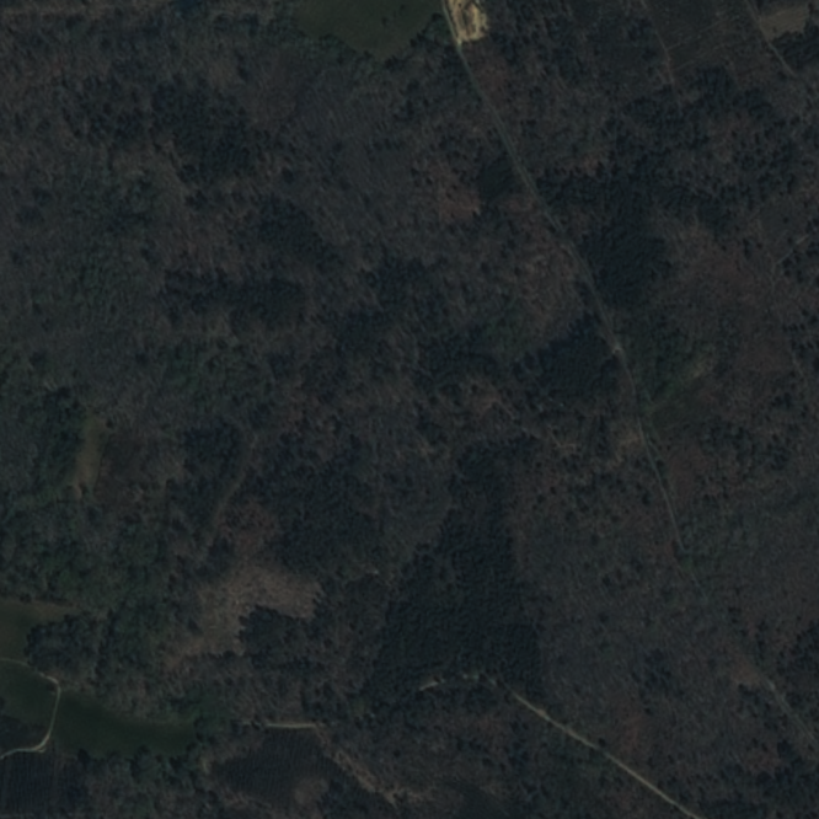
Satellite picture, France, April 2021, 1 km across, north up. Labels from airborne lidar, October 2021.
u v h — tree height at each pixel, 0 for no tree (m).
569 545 13
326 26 0
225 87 14
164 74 22
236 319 11
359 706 17
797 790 24
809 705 9
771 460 14
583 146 9
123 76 19
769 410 7
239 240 12
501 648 16
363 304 12
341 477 26
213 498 24
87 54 14
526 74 12
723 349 10
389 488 7
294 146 11
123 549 20
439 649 15
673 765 6
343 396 27
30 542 22
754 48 7
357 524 25
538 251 6
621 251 18
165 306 17
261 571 9
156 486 20
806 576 8
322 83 13
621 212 15
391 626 16
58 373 16
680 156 8
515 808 6
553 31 23
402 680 12
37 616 0
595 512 15
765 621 7
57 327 14
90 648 18
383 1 0
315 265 22
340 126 16
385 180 15
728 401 8
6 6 28
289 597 0
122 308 11
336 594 22
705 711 13
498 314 20
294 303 24
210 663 13
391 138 12
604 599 10
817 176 9
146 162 15
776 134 14
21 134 15
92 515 13
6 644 0
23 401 12
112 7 16
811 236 13
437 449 19
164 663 14
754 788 20
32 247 12
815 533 18
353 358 26
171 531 17
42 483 20
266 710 14
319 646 23
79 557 24
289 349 12
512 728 6
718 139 8
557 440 14
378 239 8
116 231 12
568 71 24
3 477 14
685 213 14
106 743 0
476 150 11
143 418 13
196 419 8
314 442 23
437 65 14
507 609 10
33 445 17
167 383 15
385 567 23
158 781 15
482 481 14
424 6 0
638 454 6
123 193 18
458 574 15
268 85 8
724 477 11
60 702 0
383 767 10
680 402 6
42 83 13
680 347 13
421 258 14
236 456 21
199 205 8
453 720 20
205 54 23
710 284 7
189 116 24
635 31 8
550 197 17
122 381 15
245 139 20
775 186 14
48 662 24
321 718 19
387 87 15
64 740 0
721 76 15
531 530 5
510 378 6
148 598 20
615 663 20
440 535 7
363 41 0
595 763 18
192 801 9
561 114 12
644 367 8
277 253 23
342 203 14
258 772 6
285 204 14
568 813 22
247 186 19
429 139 12
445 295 17
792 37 8
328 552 26
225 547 8
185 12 6
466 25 0
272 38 17
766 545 8
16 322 16
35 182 15
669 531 10
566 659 11
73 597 22
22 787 7
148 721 13
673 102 15
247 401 10
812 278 11
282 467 9
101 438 0
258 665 20
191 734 0
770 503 10
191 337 10
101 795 8
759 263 8
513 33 11
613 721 9
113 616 10
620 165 16
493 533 11
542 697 13
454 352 23
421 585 13
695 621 7
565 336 8
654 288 8
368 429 10
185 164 21
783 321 8
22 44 20
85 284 21
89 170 13
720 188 14
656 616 9
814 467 12
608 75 8
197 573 18
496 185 6
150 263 22
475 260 14
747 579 8
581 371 21
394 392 16
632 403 8
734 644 9
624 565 18
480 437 18
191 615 17
